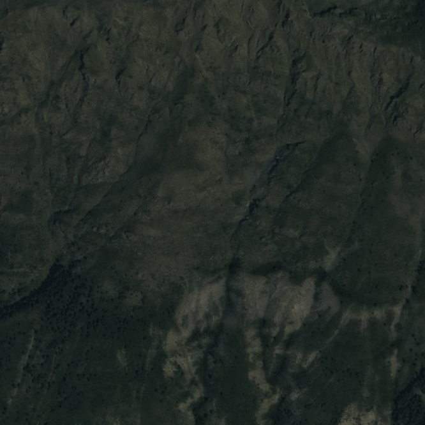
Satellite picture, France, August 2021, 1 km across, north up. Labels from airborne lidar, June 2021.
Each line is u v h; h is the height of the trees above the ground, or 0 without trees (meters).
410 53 0
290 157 0
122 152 0
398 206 0
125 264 0
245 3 0
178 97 0
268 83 0
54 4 0
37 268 11
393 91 0
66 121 0
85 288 9
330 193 0
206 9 0
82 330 10
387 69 0
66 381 12
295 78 0
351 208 0
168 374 0
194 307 0
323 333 7
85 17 0
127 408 0
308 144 0
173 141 0
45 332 0
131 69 0
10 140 0
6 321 17
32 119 0
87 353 7
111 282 0
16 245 6
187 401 0
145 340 12
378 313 0
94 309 8
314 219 0
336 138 0
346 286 8
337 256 0
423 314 0
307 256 0
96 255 0
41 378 10
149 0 0
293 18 0
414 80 0
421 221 0
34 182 0
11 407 0
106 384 0
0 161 0
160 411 0
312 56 0
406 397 31
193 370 0
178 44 0
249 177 0
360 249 0
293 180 0
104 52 0
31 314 0
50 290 29
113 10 0
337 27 0
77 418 0
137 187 0
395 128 0
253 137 0
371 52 0
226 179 0
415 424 28
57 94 0
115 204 0
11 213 0
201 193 0
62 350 11
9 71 0
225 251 6
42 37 0
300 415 0
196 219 0
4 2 0
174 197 0
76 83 0
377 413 0
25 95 0
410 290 0
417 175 0
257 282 0
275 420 12
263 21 0
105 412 0
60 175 0
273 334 0
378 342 0
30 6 0
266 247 8
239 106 0
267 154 0
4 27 0
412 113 0
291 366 0
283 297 0
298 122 0
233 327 0
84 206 0
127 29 0
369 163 0
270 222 0
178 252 0
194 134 0
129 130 0
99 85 0
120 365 0
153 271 0
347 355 0
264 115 0
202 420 9
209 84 0
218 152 0
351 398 0
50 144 0
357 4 0
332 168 0
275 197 0
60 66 0
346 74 0
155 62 0
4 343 8
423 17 0
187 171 0
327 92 0
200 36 0
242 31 0
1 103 0
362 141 0
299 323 0
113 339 12
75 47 0
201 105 0
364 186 0
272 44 0
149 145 0
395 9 0
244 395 8
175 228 0
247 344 0
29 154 0
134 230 0
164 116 0
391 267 0
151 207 0
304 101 0
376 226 0
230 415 0
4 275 9
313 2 0
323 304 0
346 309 0
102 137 0
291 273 8
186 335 0
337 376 0
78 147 0
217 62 0
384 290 0
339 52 0
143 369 8
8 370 6
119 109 0
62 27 0
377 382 0
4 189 0
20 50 0
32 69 0
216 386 0
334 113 0
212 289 0
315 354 0
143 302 9
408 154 0
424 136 0
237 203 0
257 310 0
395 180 0
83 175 0
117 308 12
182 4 0
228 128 0
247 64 0
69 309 15
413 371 0
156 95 0
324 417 0
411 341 0
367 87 0
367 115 0
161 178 0
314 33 0
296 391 0
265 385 0
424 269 7
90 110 0
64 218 0
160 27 0
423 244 0
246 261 0
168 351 0
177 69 0
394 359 0
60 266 9
